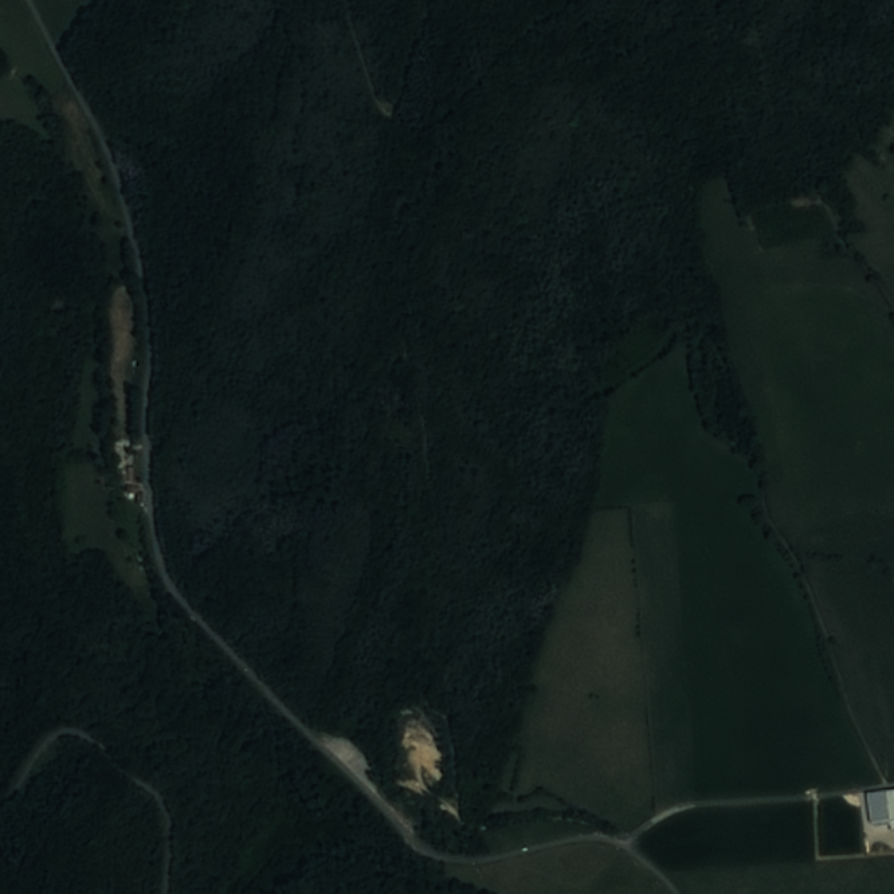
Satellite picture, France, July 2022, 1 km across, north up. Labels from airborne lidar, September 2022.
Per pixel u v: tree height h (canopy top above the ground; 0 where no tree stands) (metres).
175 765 17
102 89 12
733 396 10
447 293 14
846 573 0
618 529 0
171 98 9
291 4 18
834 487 0
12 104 0
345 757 0
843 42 14
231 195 19
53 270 26
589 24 26
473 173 13
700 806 0
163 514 8
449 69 22
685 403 0
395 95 14
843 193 14
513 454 16
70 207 19
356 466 16
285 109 11
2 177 11
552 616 16
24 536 14
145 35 16
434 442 9
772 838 0
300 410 6
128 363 0
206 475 6
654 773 0
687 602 0
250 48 7
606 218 20
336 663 15
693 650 0
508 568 18
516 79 14
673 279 10
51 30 0
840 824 0
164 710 20
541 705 0
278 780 14
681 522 0
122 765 23
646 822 0
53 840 18
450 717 10
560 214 17
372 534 10
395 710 9
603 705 0
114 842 15
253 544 19
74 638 20
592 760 0
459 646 18
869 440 0
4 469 16
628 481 0
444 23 17
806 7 6
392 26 13
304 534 18
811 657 0
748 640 0
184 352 9
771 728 0
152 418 9
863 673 0
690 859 0
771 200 19
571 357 19
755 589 0
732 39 18
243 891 7
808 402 0
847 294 0
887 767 0
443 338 25
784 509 0
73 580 21
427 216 18
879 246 0
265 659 15
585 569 0
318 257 8
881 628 0
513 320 14
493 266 17
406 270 18
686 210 23
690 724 0
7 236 19
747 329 0
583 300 20
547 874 0
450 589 13
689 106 21
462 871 0
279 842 6
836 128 10
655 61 18
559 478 13
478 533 9
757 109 12
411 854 14
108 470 11
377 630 19
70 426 15
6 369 18
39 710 14
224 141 18
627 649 0
